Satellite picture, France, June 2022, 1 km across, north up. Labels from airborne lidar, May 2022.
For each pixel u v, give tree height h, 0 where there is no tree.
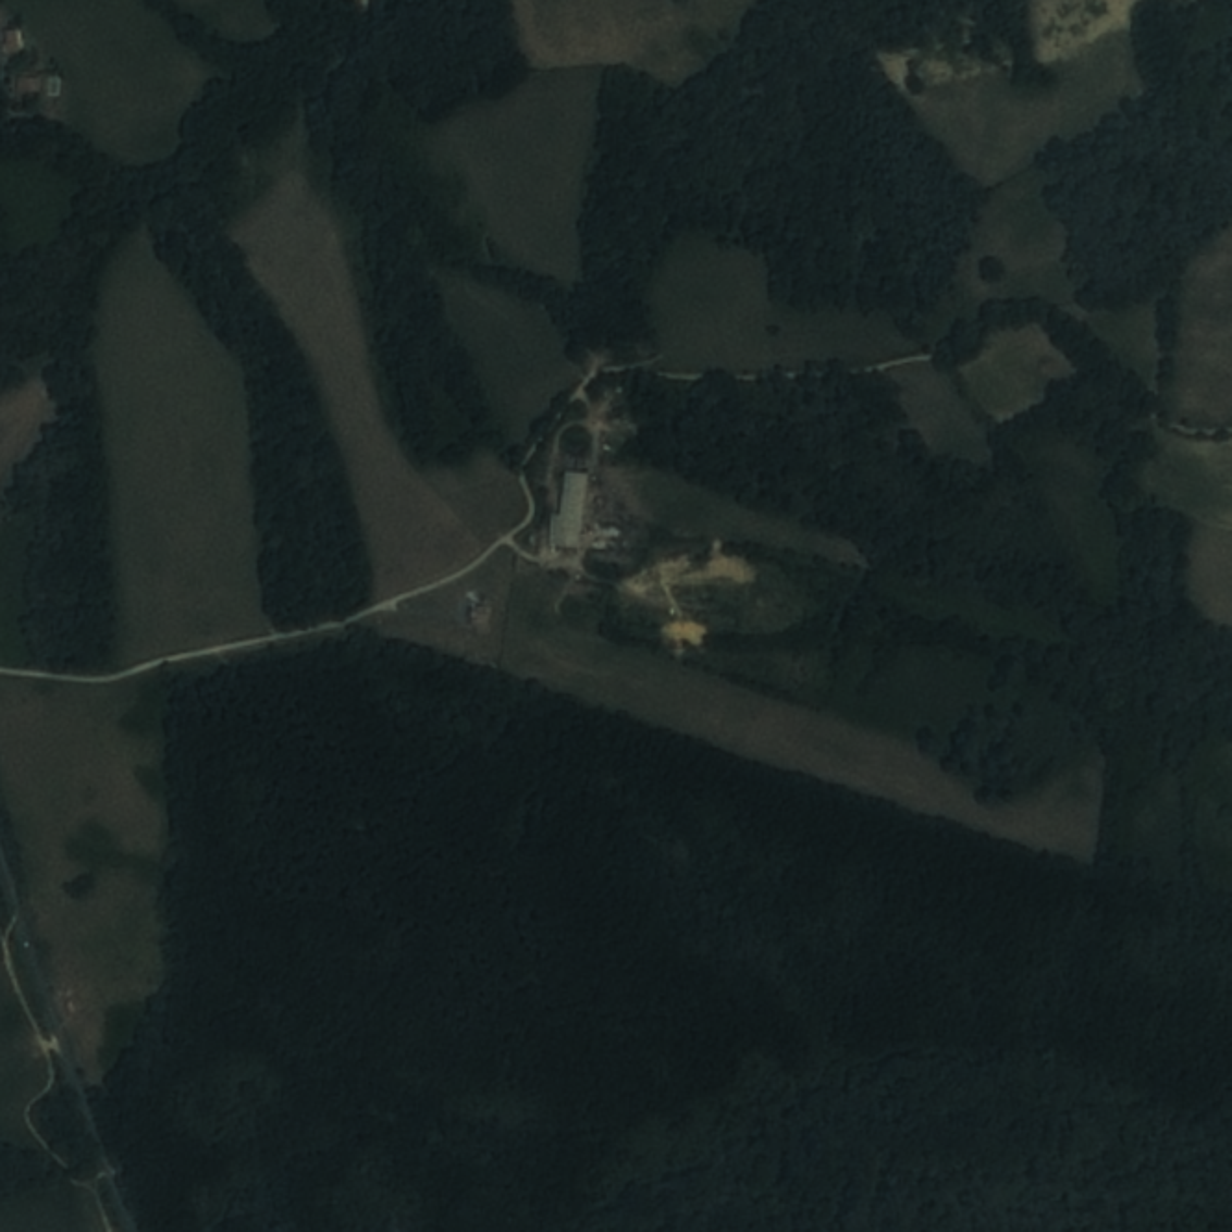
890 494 6
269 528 10
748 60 22
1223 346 0
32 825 0
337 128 25
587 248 10
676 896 23
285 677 16
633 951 17
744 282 0
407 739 23
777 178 9
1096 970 14
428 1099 18
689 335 0
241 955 23
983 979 17
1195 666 18
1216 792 0
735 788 16
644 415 11
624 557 0
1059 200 20
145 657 0
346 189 13
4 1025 0
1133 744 9
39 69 7
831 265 22
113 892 0
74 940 0
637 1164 12
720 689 0
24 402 0
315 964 11
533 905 17
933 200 15
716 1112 7
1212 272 0
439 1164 25
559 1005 14
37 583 10
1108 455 13
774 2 17
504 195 0
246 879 17
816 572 6
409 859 16
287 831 15
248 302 19
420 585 0
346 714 20
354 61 21
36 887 0
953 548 18
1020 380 0
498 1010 16
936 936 14
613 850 17
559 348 0
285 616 11
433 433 14
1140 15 6
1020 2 22
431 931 14
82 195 9
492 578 0
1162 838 0
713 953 23
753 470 13
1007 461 15
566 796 20
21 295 14
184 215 19
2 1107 0
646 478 0
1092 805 0
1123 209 25
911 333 16
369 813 21
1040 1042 13
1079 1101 19
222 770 9
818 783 18
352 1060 17
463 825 16
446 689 18
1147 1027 15
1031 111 0
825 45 23
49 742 0
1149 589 23
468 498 0
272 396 18
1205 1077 20
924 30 12
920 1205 19
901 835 20
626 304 22
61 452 20
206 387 0
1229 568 0
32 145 18
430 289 17
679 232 16
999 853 22
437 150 0
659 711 0
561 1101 16
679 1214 24
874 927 17
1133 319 0
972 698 0
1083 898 12
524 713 14
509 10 20
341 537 11
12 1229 0
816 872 11
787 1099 13
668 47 0
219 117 15
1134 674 12
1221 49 12
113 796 0
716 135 11
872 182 15
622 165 18
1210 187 9
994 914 19
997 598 16
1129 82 0
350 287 0
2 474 0
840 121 17
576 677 0
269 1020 19
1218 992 13
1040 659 16
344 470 11
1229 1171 25
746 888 8
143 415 0
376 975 11
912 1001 18
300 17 17
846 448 6
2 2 6
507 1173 27
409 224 22
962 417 0
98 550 12
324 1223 13
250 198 0
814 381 11
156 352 0
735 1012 22
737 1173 24
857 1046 14
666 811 14
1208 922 14
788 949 11
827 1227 8
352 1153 15
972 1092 27
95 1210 0
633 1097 19
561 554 0
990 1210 27
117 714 0
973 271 0
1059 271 0
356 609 7
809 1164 22
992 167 0
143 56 0
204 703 18
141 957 0
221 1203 22
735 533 0
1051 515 7
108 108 0
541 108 0
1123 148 26
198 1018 26
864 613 23
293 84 14
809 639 11
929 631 15
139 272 0
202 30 16
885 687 0
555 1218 21
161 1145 18
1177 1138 20
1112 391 15
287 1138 19
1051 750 0
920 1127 22
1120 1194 30
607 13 0
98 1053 0
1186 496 0
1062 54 0
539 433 11
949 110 0
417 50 22
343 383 0
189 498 0
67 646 18
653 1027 16
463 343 8
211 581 0
